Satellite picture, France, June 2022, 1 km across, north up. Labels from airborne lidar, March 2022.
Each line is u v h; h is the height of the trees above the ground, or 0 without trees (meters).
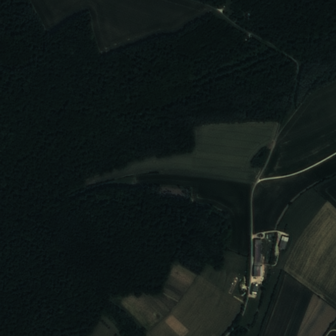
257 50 0
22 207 16
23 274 18
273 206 0
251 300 0
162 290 16
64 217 21
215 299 0
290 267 0
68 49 19
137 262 13
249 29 7
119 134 19
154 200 20
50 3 0
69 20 18
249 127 0
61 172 18
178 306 0
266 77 17
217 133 0
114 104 19
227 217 17
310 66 23
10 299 13
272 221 0
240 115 23
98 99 22
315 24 20
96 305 15
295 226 0
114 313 17
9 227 14
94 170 19
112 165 23
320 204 0
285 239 0
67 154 16
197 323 0
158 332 0
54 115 19
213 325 0
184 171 0
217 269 16
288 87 19
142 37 0
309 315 0
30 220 23
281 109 19
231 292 0
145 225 19
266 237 0
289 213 0
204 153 0
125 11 0
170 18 0
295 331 0
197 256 18
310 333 0
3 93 21
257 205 0
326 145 0
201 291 0
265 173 0
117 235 16
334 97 0
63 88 20
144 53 20
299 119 0
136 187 17
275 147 0
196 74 20
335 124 0
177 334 0
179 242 18
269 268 0
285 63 22
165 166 0
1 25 23
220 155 0
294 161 0
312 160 0
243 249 0
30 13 23
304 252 0
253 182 0
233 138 0
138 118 18
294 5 16
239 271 0
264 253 0
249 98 19
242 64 20
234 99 20
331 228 0
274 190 0
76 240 19
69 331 8
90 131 17
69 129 15
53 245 20
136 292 19
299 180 0
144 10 0
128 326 22
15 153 15
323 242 0
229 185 0
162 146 30
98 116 22
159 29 0
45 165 16
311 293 0
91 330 15
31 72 20
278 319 0
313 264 0
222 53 16
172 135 26
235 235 0
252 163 8
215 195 0
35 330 18
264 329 0
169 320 0
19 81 19
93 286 14
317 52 16
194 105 24
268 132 0
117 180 0
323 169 0
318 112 0
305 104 0
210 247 24
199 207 21
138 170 0
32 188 15
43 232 20
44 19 0
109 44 0
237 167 0
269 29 17
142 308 0
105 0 0
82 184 22
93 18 0
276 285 7
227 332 6
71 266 10
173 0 0
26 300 23
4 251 20
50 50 25
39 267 22
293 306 0
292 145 0
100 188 24
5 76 24
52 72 20
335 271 0
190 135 25
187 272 0
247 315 0
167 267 14
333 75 9
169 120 24
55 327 9
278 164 0
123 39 0
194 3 0
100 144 16
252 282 0
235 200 0
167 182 0
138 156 26
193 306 0
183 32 12
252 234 0
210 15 17
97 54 19
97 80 23
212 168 0
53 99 19
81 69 19
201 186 0
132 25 0
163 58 18
